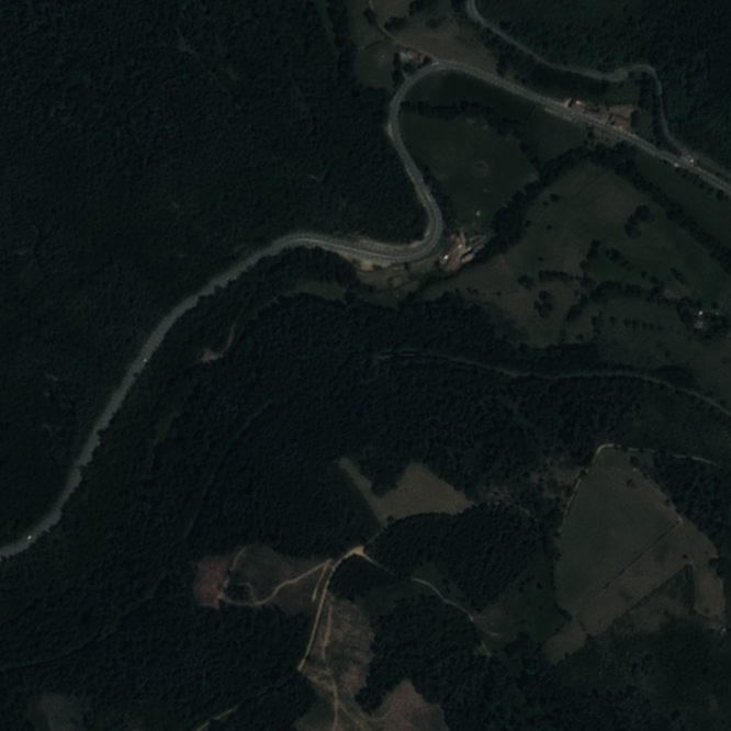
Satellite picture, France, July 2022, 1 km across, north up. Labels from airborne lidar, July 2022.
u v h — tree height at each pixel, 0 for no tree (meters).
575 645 0
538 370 17
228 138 19
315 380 11
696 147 9
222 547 20
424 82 0
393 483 11
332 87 15
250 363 15
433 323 20
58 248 25
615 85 7
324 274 22
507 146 0
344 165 17
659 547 0
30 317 20
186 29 14
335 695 0
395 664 9
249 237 10
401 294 0
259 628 18
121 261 28
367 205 12
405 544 13
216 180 19
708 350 0
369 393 11
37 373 20
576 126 0
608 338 0
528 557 11
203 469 19
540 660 29
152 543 15
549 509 6
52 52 29
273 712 12
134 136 24
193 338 20
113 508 15
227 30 14
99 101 15
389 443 11
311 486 15
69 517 21
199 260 11
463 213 0
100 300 11
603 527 0
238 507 25
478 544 13
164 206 13
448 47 0
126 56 21
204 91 17
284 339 18
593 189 0
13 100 21
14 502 28
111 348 14
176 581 7
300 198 20
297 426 16
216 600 0
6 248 17
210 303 15
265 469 21
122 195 22
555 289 0
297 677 17
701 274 0
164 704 14
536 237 0
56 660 16
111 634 7
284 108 21
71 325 10
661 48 22
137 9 19
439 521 13
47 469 28
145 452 27
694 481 21
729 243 0
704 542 0
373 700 13
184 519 18
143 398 18
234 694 17
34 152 20
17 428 22
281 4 12
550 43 18
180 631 20
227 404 27
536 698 22
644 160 0
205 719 7
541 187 21
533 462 15
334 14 22
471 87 0
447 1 0
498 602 9
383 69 0
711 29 19
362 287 17
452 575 7
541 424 21
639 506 0
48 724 0
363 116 11
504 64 17
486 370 13
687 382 20
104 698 16
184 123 18
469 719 21
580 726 15
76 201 18
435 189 10
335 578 11
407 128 0
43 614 18
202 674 29
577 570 0
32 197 20
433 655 11
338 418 17
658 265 0
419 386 18
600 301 20
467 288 0
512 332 0
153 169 24
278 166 15
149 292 24
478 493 11
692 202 0
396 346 27
